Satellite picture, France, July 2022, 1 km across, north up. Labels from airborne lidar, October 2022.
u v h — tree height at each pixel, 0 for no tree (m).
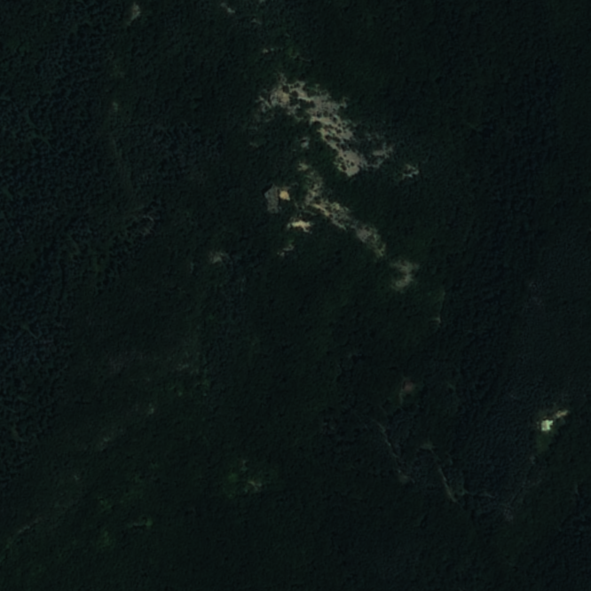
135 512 26
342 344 27
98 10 16
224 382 27
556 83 25
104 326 25
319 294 28
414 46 23
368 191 26
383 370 30
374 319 34
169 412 19
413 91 25
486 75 29
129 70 12
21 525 11
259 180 23
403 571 28
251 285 29
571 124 24
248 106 20
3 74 17
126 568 27
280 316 28
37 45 20
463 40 26
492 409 19
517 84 26
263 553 28
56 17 20
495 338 29
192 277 23
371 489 34
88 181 9
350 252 16
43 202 16
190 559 23
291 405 35
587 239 20
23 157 15
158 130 27
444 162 23
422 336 30
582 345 22
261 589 31
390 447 28
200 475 18
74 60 18
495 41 26
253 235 32
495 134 27
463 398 24
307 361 27
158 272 25
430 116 21
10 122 23
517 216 33
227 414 25
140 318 25
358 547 27
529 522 19
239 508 19
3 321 19
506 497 26
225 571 27
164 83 30
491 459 22
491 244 28
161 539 18
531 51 26
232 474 18
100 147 16
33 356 18
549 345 26
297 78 16
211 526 27
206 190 21
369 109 27
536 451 24
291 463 32
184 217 16
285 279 29
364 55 22
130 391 19
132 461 28
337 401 30
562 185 17
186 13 26
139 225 30
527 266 30
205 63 23
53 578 20
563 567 32
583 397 25
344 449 35
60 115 29
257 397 30
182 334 19
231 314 23
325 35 24
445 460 18
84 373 19
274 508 29
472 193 25
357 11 25
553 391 21
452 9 22
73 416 25
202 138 27
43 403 24
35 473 17
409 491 31
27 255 13
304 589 30
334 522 27
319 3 27
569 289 23
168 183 30
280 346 29
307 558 27
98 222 21
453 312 14
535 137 25
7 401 14
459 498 20
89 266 24
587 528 32
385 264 10
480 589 30
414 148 18
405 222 29
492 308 35
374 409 37
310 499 34
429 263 15
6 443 18
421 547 23
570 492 20
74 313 21
